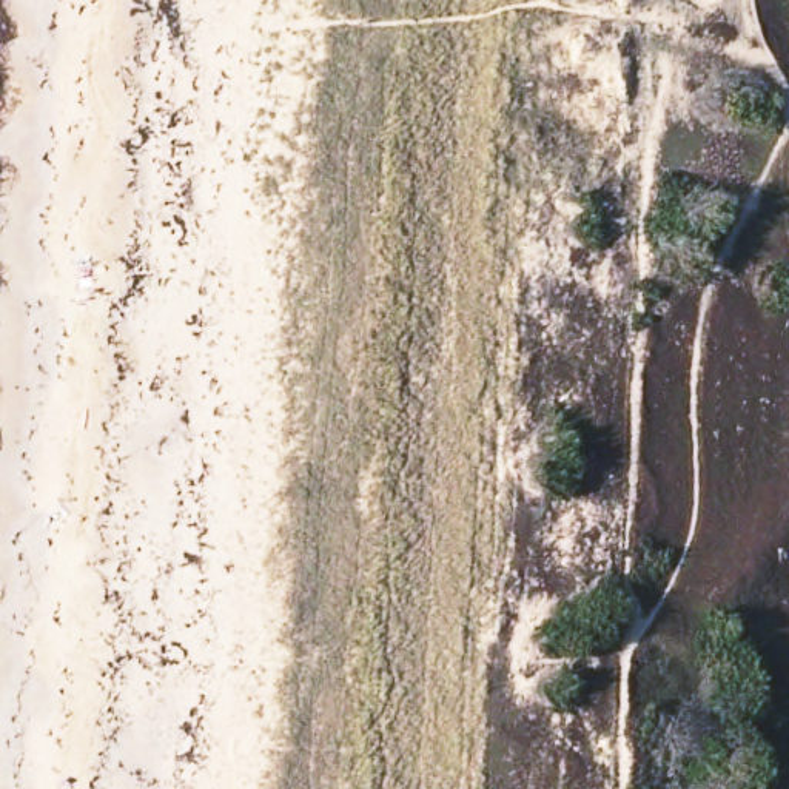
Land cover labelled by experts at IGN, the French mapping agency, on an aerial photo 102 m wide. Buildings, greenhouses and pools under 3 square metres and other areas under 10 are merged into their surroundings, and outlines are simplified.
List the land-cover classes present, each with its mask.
<instances>
[{"label":"bare soil","instance_id":"1","mask_svg":"<svg viewBox=\"0 0 789 789\"><path fill-rule=\"evenodd\" d=\"M629 0H0V789H604V764L613 758L610 740L601 737L595 746L589 743L583 730V712L589 709L595 715V727L601 734H607L616 724L619 672L598 669L601 656H589V666H573L579 690L567 700L570 712H555L552 700L539 690L527 700V706L515 703V687L509 681V644L524 598L505 589V579L515 570V493L524 490L533 499L546 490L539 484V456L552 444H558L555 428L549 422H533L527 416V404L518 395L524 367L530 361L527 351H518V339L524 336L527 317L533 314L542 324V342L549 345H558V330L564 327V314L549 308L546 290H552L555 280H561L576 284L579 290H595L601 296V311L607 317L626 321L629 336L638 333L635 317L644 311L647 277L638 274L635 256L629 253V237H647V213L638 210V185L632 182L635 170L626 166L616 176V157L641 136V105L635 102L641 83L638 37L626 34L616 55L586 49V37L601 25V18H626ZM583 206H589L601 222V240L595 243L598 250L589 256L595 268H579L570 262V253L579 243V237L573 234V222L583 213ZM684 86L690 92V111L684 120H697L712 133H740V120L734 111L740 99L734 83L752 65L721 52H693L684 65ZM663 176L684 191L681 203L687 210V222H700L706 216L724 225L734 222L737 206L749 213L758 210L761 188L755 185L684 170ZM653 253L650 277L663 280L672 271V265H681V271L690 274L693 259H706L709 250L687 237H647Z\"/></svg>","mask_w":789,"mask_h":789},{"label":"herbaceous vegetation","instance_id":"2","mask_svg":"<svg viewBox=\"0 0 789 789\"><path fill-rule=\"evenodd\" d=\"M767 49L774 52L789 80V0H755ZM780 133L774 123L740 120V133H712L697 120H684L669 123L663 133L656 179L663 176L684 170L755 185L764 157ZM703 287H715L700 376L703 505L697 539L693 546H684L678 567L666 579V595L678 607H687L693 616H700L703 610L737 616L743 623V641L761 656V669L771 678L767 700L755 724L761 740L771 746V761L777 767L771 789H789V148L780 154L774 179L761 188L758 210L749 213L737 206L734 222L724 225L709 250L706 259H693L690 274L681 271V265H672V271L663 280L650 277H647L644 311L635 317L638 333H647V358L641 382V475L632 530L641 536L650 527L653 533L684 542L690 518V345ZM549 308L564 314V327L558 330V345H549L542 342V324L533 314L527 317L524 336L518 339V351H527L530 361L524 367L518 395L527 404V416L533 422H549L555 428L561 425L579 435L583 462L570 468L567 478V487L579 499H592L604 487L610 472L629 468V336L626 321L607 317L601 311V296L595 290H579L576 284L561 280H555L552 290H546Z\"/></svg>","mask_w":789,"mask_h":789},{"label":"brushwood","instance_id":"3","mask_svg":"<svg viewBox=\"0 0 789 789\"><path fill-rule=\"evenodd\" d=\"M740 99L734 111L740 120L774 123L780 133L789 126V83H777L764 68L752 65L734 83ZM684 191L663 176L656 179V197L647 213V237H687L709 250L724 225L706 216L700 222H687V210L681 203ZM573 234L579 237V243L570 253V262L579 268H595L589 256L598 250L595 243L601 240V222L589 206H583V213L573 222ZM558 444H552L539 456V484L546 490L558 499H579L567 487V478L570 468L583 462L579 435L561 425L555 428ZM684 546V542L653 533L650 527L641 536L632 530V573L610 570L595 592L579 595L570 604H558L552 616L533 632V641L542 647V653L573 656V666H589V656H601L598 669L619 672V650L629 641L635 644L629 675L632 789H771L777 767L771 761V746L761 740L755 724L767 700L771 678L761 669V656L743 641V623L737 616L703 610L700 616H693L687 607H678L666 595V579L678 567ZM539 690L552 700L555 712H570L567 700L579 690L573 666L561 669L552 681L539 684Z\"/></svg>","mask_w":789,"mask_h":789},{"label":"pervious surface","instance_id":"4","mask_svg":"<svg viewBox=\"0 0 789 789\"><path fill-rule=\"evenodd\" d=\"M626 34L638 37L641 83L635 102L641 105V136L616 157V176L626 166L635 170L632 182L638 185V210L647 213L656 197V179L663 133L669 123L684 120L690 111V92L684 86V65L693 52H721L752 65L764 68L777 83H789V80L774 52L767 49L755 0H629L626 18H601V25L586 37V49L616 55ZM789 148V126L780 133L764 157L755 185L761 188L774 179L780 154ZM629 253L635 256L638 274L647 277H650L653 253L647 237H629ZM715 287H703L690 345V518L684 542V546H693L697 539L703 505L700 376ZM629 468L610 472L604 487L592 499H558L546 490L533 499L524 490L515 493V570L505 579V589L524 598L509 644V681L515 687V703L527 706V700L539 690V684L552 681L561 669L573 666V656L542 653V647L533 641V632L552 616L558 604H570L579 595L595 592L610 570L632 573V530L641 475V382L647 358V333H638L629 336ZM635 644L629 641L619 650V672L616 724L607 734H601L595 727V715L589 709L583 712V730L589 743L595 746L601 737L610 740L613 758L604 764V789H632L629 675Z\"/></svg>","mask_w":789,"mask_h":789}]
</instances>
